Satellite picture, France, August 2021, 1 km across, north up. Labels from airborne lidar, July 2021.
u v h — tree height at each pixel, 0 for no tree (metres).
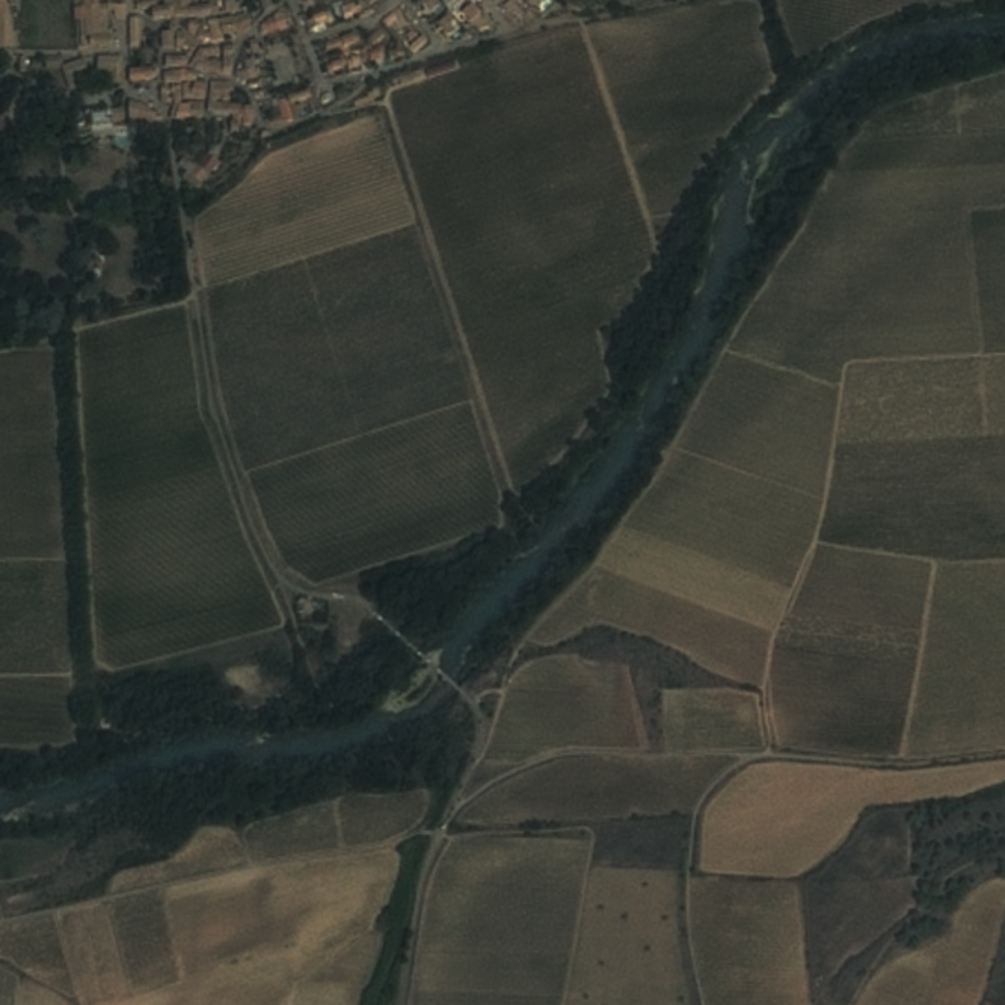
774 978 0
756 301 0
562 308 0
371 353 0
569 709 0
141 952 0
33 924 0
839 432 0
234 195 0
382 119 0
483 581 20
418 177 0
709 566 0
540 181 0
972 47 25
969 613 0
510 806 0
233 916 0
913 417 0
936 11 7
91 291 29
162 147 8
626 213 0
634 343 17
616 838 0
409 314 0
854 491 0
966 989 0
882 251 0
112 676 8
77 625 21
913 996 0
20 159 22
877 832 0
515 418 0
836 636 0
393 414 0
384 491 0
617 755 0
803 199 17
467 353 0
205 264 0
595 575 0
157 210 19
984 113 0
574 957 0
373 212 0
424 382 0
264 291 0
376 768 18
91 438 0
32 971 0
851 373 0
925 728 0
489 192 0
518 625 15
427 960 0
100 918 0
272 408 0
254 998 0
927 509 0
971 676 0
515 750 0
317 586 0
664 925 0
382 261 0
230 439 0
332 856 0
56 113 27
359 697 25
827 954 0
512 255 0
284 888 0
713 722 0
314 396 0
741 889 0
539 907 0
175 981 0
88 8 0
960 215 0
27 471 0
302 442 0
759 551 0
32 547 0
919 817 8
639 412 12
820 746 0
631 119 0
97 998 0
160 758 0
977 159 0
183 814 16
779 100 20
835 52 18
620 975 0
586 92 0
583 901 0
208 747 0
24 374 0
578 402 0
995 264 0
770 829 0
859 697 0
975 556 0
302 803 8
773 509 0
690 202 17
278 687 0
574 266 0
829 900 0
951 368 0
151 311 0
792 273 0
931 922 13
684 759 0
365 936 0
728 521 0
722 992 0
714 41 0
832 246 0
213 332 0
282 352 0
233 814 15
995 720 0
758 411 0
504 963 0
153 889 0
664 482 0
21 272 13
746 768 0
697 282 28
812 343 0
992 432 0
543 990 0
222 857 0
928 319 0
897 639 0
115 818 11
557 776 0
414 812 0
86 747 19
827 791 0
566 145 0
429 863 0
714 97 0
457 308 0
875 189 0
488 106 0
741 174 0
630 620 0
